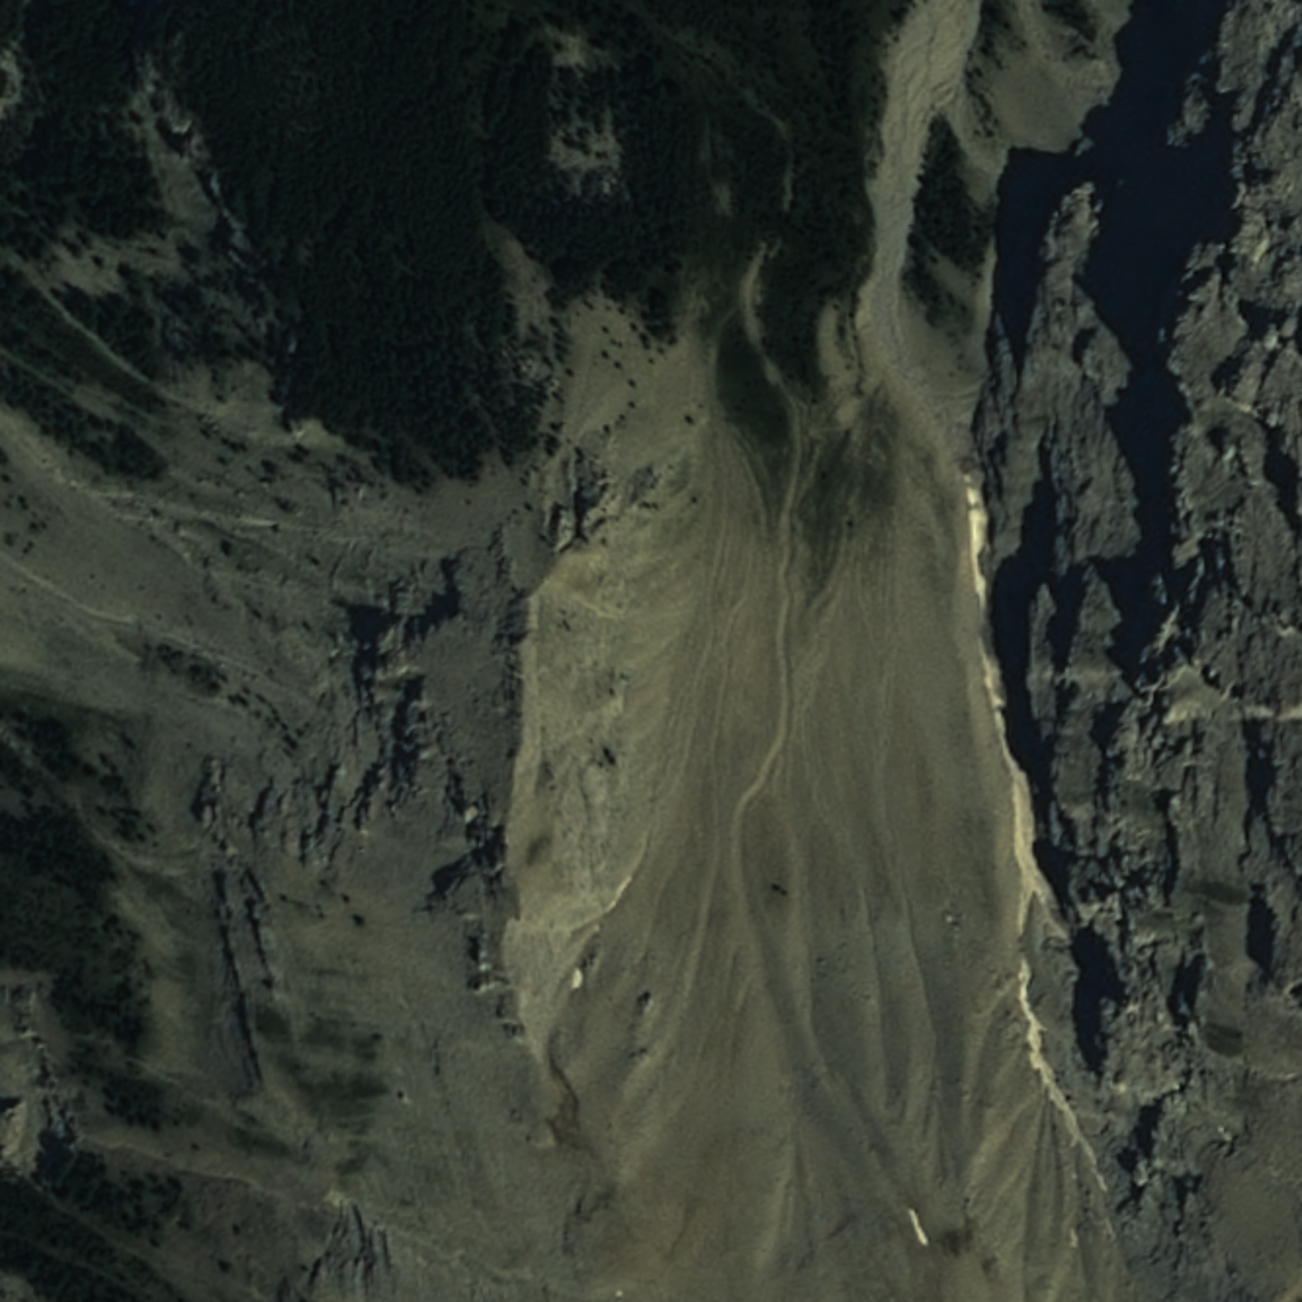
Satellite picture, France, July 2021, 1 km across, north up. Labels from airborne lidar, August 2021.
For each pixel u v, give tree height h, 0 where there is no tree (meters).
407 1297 0
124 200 13
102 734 0
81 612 0
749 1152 0
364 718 0
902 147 0
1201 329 0
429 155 24
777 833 0
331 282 24
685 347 0
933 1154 0
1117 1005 0
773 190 8
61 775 11
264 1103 0
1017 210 0
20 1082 0
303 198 23
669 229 11
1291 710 0
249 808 0
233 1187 0
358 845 0
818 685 0
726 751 0
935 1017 0
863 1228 0
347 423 10
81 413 14
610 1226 0
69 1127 0
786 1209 0
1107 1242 0
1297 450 0
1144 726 0
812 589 0
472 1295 0
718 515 0
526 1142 0
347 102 18
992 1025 0
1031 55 0
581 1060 0
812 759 0
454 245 18
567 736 0
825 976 0
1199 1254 0
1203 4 0
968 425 0
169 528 0
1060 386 0
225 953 0
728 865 0
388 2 20
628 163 8
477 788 0
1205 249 0
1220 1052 0
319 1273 0
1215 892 0
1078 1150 0
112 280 0
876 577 0
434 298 17
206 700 0
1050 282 0
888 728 0
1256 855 0
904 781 0
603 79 10
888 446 0
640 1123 0
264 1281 0
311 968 0
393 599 0
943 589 0
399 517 0
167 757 0
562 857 0
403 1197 0
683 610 0
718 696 0
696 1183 0
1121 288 0
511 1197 0
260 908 0
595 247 21
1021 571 0
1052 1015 0
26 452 0
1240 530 0
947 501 0
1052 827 0
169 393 0
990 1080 0
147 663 0
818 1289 0
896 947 0
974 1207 0
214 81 14
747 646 0
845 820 0
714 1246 0
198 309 12
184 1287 0
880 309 0
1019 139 0
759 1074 0
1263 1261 0
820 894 0
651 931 0
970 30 0
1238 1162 0
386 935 0
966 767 0
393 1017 0
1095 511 0
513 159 15
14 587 0
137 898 0
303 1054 0
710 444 0
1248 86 0
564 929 0
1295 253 0
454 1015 0
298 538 0
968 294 0
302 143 12
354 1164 0
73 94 20
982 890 0
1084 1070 0
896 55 0
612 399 0
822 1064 0
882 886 0
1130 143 0
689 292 0
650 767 0
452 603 0
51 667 0
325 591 0
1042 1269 0
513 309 12
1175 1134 0
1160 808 0
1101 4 0
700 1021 0
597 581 0
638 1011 0
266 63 15
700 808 0
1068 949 0
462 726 0
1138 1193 0
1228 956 0
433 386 22
